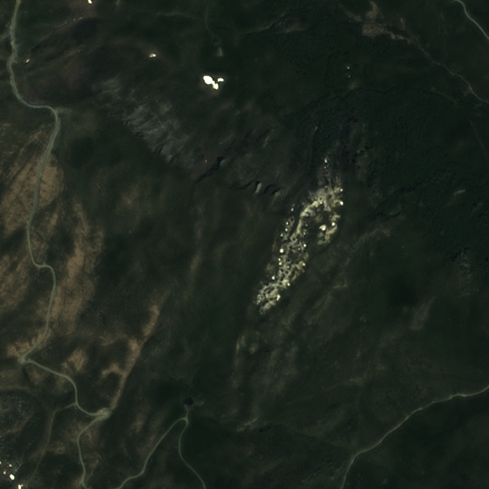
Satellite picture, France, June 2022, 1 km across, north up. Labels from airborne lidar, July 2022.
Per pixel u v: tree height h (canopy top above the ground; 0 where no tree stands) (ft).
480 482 0
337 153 0
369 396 0
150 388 0
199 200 0
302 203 0
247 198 0
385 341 0
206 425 0
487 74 0
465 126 0
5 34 0
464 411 0
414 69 0
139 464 0
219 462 0
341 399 0
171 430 0
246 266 0
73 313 0
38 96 0
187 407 0
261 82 0
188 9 0
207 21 0
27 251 0
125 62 0
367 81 0
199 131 0
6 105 0
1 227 0
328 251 0
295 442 0
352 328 0
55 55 0
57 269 0
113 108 0
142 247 0
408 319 0
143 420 0
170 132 0
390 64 0
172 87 0
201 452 0
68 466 0
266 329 0
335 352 0
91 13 0
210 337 0
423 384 0
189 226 0
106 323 0
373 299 0
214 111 0
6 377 0
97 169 0
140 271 0
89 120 0
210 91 0
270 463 0
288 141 0
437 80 0
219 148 0
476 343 0
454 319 0
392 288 0
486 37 0
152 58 0
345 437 0
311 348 0
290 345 0
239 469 0
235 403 0
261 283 0
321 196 0
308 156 0
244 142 0
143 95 0
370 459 0
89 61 0
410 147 17
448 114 0
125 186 0
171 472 0
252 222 0
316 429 0
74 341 0
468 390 0
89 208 0
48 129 0
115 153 0
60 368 0
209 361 0
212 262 0
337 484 0
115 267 0
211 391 0
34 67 0
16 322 0
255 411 0
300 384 0
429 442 0
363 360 0
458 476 0
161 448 0
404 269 0
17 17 0
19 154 0
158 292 0
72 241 0
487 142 0
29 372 0
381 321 0
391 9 0
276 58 0
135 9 0
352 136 0
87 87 0
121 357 0
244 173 0
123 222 0
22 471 0
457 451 0
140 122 0
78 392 0
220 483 0
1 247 0
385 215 27
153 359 0
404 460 0
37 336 0
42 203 0
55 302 0
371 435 0
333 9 0
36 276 0
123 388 0
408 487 0
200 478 0
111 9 0
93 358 0
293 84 0
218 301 0
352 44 0
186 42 0
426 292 0
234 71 0
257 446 0
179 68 0
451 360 0
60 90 0
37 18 0
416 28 0
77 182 0
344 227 0
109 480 0
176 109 0
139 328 0
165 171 0
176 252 0
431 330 0
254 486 0
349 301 0
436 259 0
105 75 0
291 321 0
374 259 0
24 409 0
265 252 0
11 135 0
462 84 0
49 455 0
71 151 0
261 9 0
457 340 0
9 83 0
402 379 0
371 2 0
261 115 0
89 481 0
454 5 0
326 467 0
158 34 0
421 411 0
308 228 0
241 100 0
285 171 0
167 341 0
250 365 0
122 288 0
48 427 0
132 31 0
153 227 0
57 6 0
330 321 0
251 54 0
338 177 0
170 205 0
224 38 0
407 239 0
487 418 0
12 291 0
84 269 0
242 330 0
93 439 0
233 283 0
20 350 0
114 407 0
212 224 0
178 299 0
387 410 0
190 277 0
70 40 0
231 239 0
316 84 0
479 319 0
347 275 0
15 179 0
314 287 0
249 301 0
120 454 0
